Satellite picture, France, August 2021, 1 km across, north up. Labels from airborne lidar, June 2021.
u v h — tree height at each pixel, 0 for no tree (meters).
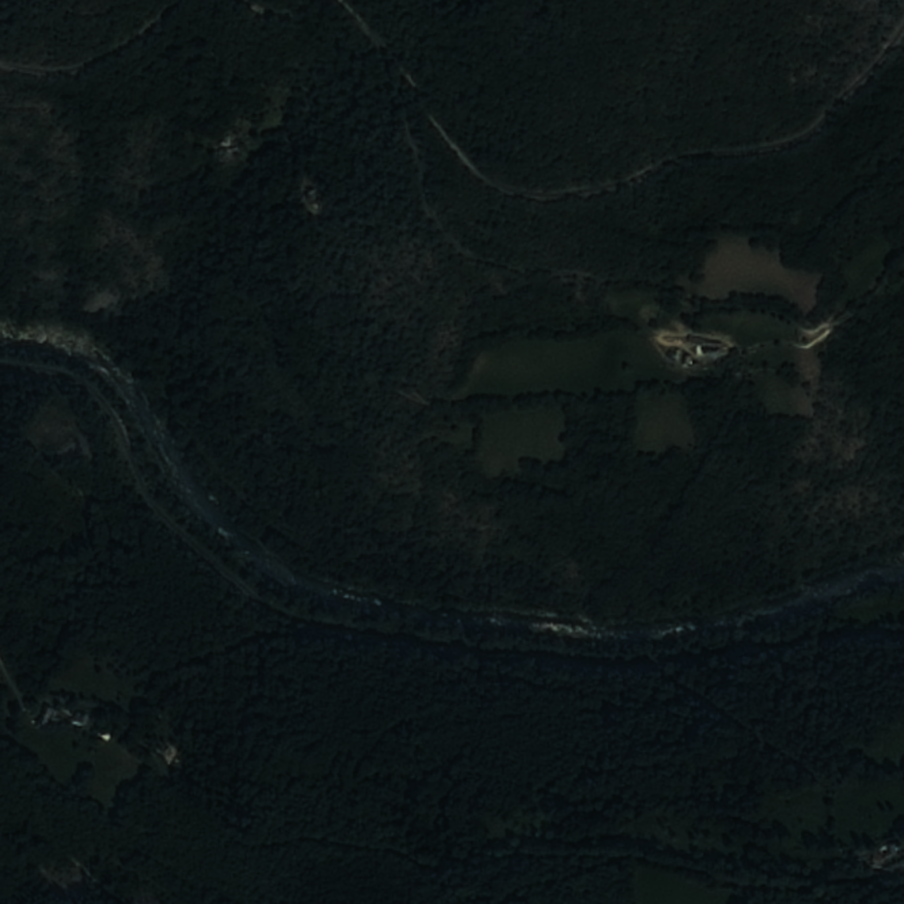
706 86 19
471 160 13
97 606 29
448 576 15
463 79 22
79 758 0
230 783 10
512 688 21
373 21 20
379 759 24
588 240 13
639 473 17
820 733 23
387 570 17
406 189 6
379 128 18
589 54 19
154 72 22
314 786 18
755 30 14
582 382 0
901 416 20
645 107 17
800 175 10
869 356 14
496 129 12
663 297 10
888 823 0
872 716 24
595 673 25
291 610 19
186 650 22
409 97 19
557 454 0
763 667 18
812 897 16
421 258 7
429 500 12
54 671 21
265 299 23
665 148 11
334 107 14
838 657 23
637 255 18
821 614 16
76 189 7
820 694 19
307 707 17
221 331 22
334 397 8
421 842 14
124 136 10
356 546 20
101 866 9
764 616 0
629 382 0
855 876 6
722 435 7
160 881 18
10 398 20
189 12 23
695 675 28
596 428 8
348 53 22
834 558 15
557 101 15
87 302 12
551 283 13
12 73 8
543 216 12
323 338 9
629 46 17
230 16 22
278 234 12
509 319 14
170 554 21
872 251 0
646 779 27
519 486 14
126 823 17
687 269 17
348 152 9
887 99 19
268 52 17
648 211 21
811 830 0
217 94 21
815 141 11
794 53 13
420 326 7
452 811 30
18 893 22
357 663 20
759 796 21
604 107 13
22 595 25
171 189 17
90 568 21
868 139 13
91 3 10
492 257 9
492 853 15
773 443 22
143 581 22
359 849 17
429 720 23
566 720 25
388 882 16
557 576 13
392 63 19
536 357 0
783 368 10
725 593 23
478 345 17
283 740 22
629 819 12
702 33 14
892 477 6
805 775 23
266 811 19
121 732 16
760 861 9
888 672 23
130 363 22
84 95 18
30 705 14
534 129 14
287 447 9
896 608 0
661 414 0
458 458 8
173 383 8
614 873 16
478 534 8
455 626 17
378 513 15
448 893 29
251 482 12
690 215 17
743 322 0
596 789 24
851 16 7
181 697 20
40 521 17
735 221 16
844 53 8
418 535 18
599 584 11
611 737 25
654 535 18
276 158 20
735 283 0
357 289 8
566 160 13
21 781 17
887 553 12
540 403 19
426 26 22
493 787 19
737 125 17
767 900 14
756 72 16
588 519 29
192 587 23
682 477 13
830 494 12
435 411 9
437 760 20
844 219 21
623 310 0
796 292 0
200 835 21
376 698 30
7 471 15
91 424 21
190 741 24
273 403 18
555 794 6
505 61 18
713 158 16
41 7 13
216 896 17
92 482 21
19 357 8
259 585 16
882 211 20
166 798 17
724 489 20
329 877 17
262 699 29
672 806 20
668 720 24
